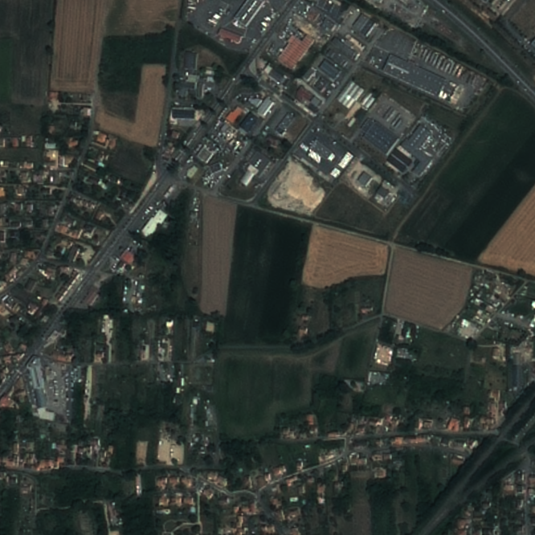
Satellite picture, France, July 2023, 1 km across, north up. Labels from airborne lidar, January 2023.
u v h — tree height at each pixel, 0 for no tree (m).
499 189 0
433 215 0
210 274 0
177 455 0
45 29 0
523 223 0
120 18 0
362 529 0
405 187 0
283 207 0
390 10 0
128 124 0
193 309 7
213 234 0
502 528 6
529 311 0
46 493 0
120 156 0
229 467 7
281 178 0
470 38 0
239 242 0
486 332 0
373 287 0
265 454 0
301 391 0
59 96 7
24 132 0
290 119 0
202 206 0
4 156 0
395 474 15
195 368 0
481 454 16
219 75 11
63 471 12
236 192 0
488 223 0
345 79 0
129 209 0
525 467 0
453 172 0
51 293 0
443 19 0
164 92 0
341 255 0
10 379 0
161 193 0
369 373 0
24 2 0
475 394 0
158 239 12
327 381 6
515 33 0
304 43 0
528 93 0
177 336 0
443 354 0
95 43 0
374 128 0
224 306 0
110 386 0
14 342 0
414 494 0
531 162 0
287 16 0
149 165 0
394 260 0
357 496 0
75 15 0
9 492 6
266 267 0
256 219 0
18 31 0
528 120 0
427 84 0
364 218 0
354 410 6
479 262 0
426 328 0
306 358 0
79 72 0
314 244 0
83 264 12
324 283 0
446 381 7
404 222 0
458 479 14
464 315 0
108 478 10
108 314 12
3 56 0
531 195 0
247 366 0
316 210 0
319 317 0
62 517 9
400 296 0
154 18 0
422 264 0
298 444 0
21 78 0
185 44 0
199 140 0
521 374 0
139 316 14
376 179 0
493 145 0
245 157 0
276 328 0
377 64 0
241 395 0
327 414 0
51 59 0
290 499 0
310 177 0
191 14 0
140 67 0
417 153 0
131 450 0
